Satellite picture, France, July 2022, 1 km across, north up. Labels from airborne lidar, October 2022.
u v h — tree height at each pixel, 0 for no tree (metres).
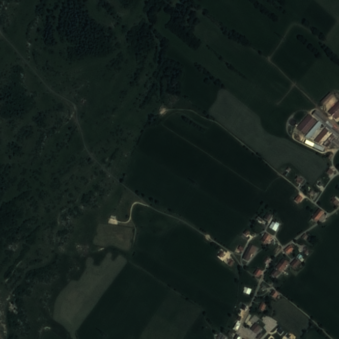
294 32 0
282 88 0
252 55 0
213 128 0
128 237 0
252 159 0
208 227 0
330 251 0
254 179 0
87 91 0
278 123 0
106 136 0
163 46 21
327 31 0
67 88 0
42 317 0
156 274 0
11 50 0
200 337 0
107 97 0
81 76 0
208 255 0
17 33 0
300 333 0
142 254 0
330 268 0
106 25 0
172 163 0
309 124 0
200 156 0
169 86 15
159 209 0
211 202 0
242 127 0
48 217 0
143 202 0
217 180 0
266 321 0
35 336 0
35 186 0
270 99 0
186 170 0
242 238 0
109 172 0
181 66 18
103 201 0
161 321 0
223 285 0
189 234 0
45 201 0
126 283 0
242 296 0
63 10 13
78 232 0
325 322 0
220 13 0
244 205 0
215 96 0
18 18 0
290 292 0
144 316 0
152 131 0
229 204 0
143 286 0
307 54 0
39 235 0
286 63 0
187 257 0
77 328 0
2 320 0
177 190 0
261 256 0
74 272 0
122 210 0
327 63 0
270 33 0
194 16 23
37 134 0
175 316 0
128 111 0
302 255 7
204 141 0
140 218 0
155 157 0
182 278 0
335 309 0
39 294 0
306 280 0
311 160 0
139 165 0
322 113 0
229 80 0
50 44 11
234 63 0
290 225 0
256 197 0
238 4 0
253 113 0
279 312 0
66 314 0
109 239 0
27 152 0
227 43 0
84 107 0
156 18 19
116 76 0
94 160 0
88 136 0
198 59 0
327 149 0
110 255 0
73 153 0
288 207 0
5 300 0
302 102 0
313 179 0
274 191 0
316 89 0
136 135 0
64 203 0
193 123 21
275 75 0
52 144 0
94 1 0
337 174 0
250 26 0
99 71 0
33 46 0
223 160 0
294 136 0
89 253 0
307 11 0
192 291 0
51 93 0
